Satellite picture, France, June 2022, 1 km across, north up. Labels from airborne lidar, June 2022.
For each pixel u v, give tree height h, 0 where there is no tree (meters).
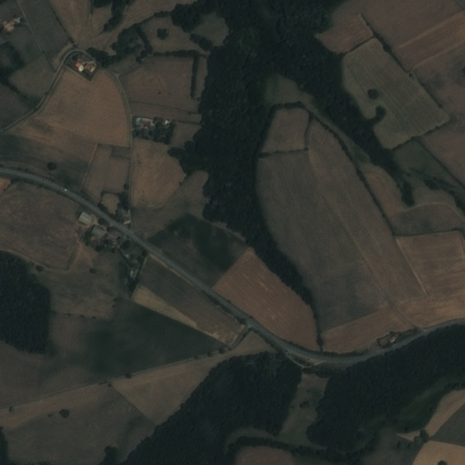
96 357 0
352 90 0
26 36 0
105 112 0
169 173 0
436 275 0
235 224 21
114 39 0
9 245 0
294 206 0
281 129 0
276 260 24
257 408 27
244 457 0
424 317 0
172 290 0
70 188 0
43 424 0
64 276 0
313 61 24
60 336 0
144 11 0
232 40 22
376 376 19
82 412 0
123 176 0
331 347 0
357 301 0
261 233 23
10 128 0
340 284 0
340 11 0
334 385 18
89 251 0
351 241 0
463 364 18
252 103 18
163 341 0
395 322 0
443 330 11
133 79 0
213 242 0
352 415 15
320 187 0
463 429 0
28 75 0
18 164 0
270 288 0
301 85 12
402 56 0
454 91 0
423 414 0
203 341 0
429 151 0
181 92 0
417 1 0
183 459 18
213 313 0
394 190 0
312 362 0
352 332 0
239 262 0
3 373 0
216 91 18
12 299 18
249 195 22
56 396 0
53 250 0
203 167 15
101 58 10
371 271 0
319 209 0
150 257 0
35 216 0
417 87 0
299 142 0
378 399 16
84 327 0
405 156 0
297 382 17
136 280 8
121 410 0
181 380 0
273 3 15
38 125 0
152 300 0
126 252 0
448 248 0
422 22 0
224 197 27
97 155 0
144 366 0
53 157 0
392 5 0
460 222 0
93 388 0
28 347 21
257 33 22
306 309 0
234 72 22
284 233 0
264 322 0
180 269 0
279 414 21
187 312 0
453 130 0
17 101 0
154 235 0
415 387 16
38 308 18
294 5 20
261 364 13
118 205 7
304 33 21
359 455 14
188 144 15
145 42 11
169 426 17
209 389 16
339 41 0
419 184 0
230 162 20
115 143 0
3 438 13
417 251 0
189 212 0
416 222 0
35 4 0
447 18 0
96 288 0
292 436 0
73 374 0
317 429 21
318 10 19
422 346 18
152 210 0
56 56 0
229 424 21
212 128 18
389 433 0
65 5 0
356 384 13
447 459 0
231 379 19
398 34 0
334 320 0
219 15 8
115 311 0
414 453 0
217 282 0
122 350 0
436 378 22
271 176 0
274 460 0
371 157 14
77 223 0
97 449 0
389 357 15
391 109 0
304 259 0
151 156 0
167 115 0
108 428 0
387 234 0
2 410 0
